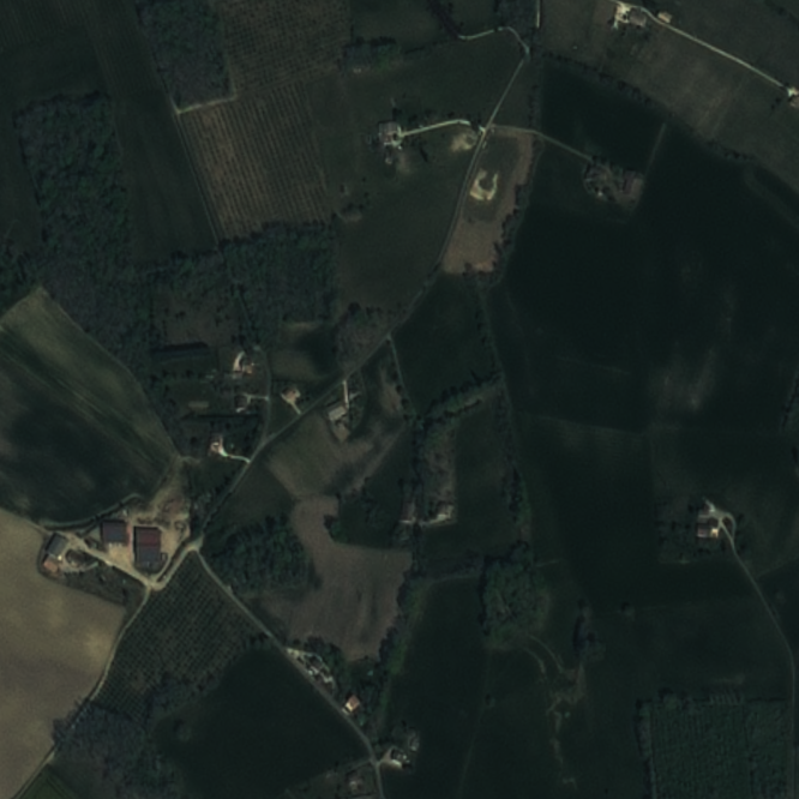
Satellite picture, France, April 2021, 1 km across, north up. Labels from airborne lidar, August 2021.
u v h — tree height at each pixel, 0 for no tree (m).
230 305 9
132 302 19
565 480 0
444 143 0
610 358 0
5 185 0
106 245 24
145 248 0
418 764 0
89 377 0
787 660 0
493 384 11
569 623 0
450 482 19
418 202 0
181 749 0
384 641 0
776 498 0
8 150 0
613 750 0
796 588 0
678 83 0
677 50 0
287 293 15
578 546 0
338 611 0
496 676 0
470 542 0
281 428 0
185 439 13
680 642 0
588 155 0
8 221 0
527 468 0
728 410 0
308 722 0
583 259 0
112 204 21
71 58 0
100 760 14
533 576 23
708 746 6
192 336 0
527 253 0
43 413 0
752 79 0
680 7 0
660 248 0
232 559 14
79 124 21
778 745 9
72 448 0
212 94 19
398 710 0
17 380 0
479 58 0
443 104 0
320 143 0
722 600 0
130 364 11
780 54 0
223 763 0
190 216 0
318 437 0
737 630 0
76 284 22
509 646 0
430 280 10
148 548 0
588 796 0
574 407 0
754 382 0
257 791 0
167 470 0
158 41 20
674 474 0
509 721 0
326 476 0
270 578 12
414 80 0
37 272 17
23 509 0
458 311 0
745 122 0
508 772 0
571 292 0
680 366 0
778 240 0
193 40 21
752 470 0
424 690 0
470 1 0
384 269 0
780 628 0
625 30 6
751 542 0
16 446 0
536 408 0
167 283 12
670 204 0
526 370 0
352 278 0
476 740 0
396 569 0
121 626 0
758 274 0
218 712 0
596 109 0
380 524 8
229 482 13
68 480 0
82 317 21
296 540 10
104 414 0
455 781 0
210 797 0
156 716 20
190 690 18
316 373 0
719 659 0
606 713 0
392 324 7
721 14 0
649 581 0
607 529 0
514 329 0
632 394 0
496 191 0
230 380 0
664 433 0
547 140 0
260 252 16
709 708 6
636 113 0
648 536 0
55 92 0
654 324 0
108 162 23
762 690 0
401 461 0
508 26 15
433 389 0
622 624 0
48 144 19
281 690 0
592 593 0
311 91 0
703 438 0
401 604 10
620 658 0
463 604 0
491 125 0
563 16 0
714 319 0
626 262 0
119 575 7
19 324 0
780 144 0
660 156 0
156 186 0
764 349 0
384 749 14
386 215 0
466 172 0
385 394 0
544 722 0
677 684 0
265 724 0
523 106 0
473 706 0
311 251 12
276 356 0
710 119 0
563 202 0
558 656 0
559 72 0
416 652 0
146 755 14
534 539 0
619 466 0
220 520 7
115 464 0
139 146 0
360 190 0
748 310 0
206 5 22
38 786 0
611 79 11
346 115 0
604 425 0
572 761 0
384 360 0
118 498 0
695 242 0
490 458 0
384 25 0
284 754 0
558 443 0
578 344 0
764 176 0
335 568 0
